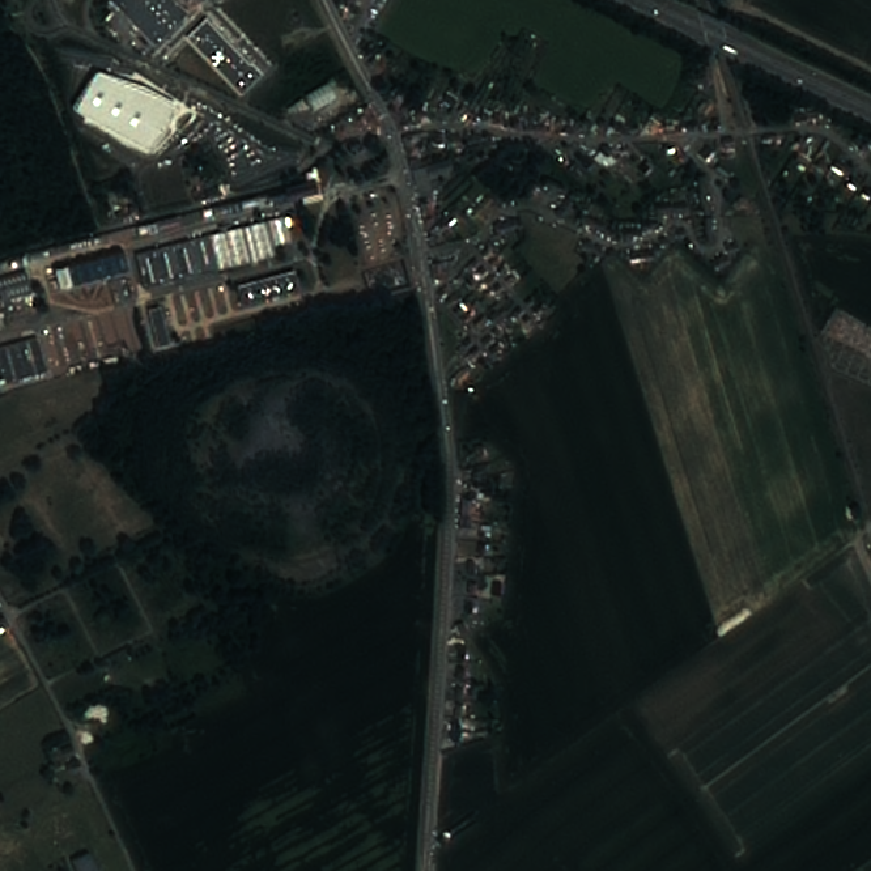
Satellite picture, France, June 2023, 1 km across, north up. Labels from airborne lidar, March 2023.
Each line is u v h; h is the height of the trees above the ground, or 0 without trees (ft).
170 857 0
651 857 0
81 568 24
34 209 49
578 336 0
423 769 0
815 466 0
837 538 0
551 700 0
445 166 0
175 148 0
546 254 0
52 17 0
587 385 0
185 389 36
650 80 0
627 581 0
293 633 0
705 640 0
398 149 0
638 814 0
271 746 0
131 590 0
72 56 0
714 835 0
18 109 70
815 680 0
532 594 0
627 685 0
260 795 0
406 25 0
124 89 0
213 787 0
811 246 0
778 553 0
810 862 0
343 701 0
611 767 0
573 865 0
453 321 0
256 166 0
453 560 0
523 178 36
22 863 0
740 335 0
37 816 0
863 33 0
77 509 0
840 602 0
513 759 0
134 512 0
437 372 0
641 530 0
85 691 0
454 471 0
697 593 0
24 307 0
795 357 0
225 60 0
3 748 0
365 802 0
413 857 0
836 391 0
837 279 0
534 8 0
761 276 0
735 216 0
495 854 0
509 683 0
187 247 0
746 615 0
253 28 0
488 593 0
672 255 0
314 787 0
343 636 0
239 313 0
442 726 0
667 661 0
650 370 0
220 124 0
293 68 0
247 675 0
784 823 0
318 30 0
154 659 0
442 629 0
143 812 0
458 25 0
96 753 0
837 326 0
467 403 0
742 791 0
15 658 0
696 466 0
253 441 0
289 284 0
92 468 0
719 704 0
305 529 0
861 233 0
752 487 0
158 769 0
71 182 46
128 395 47
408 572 0
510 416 0
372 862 0
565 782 0
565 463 0
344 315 64
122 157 0
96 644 0
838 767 0
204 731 0
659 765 0
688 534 0
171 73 0
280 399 0
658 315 0
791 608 0
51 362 0
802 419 0
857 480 0
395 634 0
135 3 0
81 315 0
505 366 0
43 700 0
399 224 0
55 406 0
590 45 0
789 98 66
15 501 0
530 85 26
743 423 0
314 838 0
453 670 0
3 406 0
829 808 0
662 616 0
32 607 0
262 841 0
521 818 0
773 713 0
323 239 24
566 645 0
